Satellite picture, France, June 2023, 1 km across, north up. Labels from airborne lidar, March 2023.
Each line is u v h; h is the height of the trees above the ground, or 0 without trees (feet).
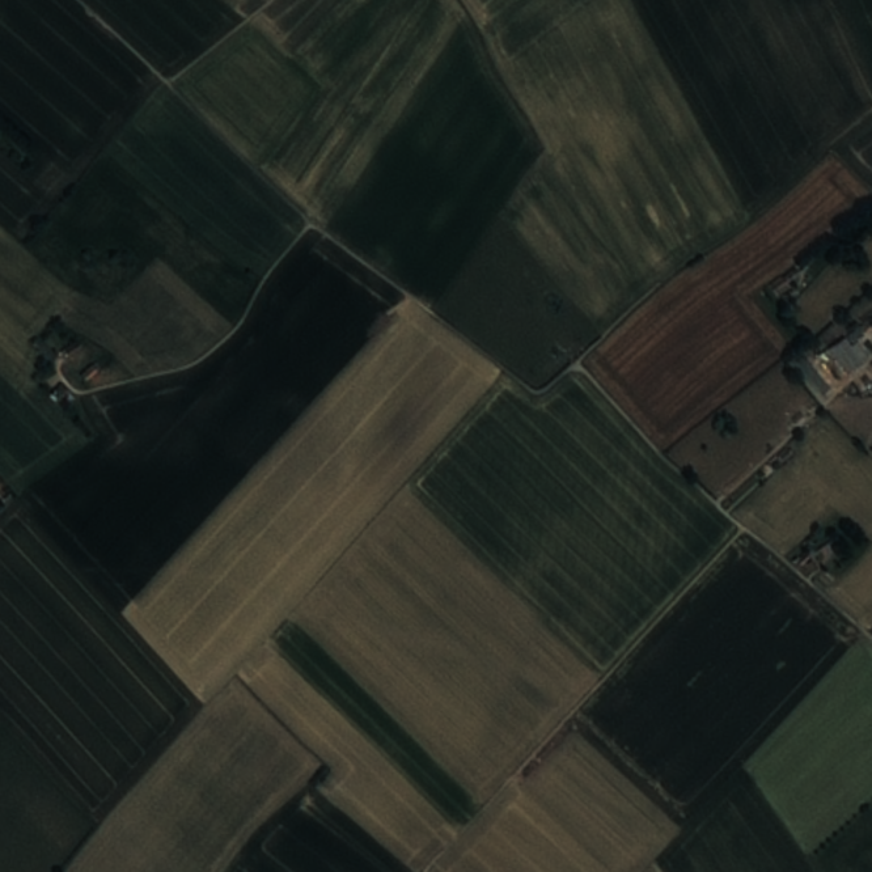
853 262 38
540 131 0
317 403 0
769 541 0
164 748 0
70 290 0
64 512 0
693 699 0
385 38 0
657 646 0
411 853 0
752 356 0
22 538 0
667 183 0
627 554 0
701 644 0
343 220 0
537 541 0
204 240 0
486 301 0
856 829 0
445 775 0
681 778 0
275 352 0
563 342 0
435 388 0
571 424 0
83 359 0
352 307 0
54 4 0
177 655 0
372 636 0
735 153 0
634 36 0
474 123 0
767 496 0
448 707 0
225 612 0
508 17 0
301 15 0
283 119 0
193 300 0
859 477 0
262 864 0
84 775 0
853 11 0
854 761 0
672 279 0
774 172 0
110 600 0
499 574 0
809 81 0
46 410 0
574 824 0
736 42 0
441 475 0
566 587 0
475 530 0
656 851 0
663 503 0
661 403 0
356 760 0
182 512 0
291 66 0
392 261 0
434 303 0
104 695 0
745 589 0
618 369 0
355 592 0
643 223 0
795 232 0
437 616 0
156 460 0
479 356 0
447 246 0
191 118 0
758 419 0
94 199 0
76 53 0
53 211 0
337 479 0
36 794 0
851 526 56
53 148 0
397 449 0
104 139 0
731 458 0
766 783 0
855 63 0
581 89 0
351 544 0
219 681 0
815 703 0
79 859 0
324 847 0
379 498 0
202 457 0
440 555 0
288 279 0
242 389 0
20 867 0
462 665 0
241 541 0
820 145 0
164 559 0
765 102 0
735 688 0
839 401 0
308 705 0
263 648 0
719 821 0
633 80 0
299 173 0
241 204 0
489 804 0
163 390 0
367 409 0
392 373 0
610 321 0
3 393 0
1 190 0
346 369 0
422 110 0
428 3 0
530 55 0
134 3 0
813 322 0
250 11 0
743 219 0
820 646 0
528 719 0
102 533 0
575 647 0
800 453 0
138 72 0
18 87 0
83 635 0
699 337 0
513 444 0
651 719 0
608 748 0
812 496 0
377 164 0
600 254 0
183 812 0
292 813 0
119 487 0
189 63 0
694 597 0
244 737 0
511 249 0
